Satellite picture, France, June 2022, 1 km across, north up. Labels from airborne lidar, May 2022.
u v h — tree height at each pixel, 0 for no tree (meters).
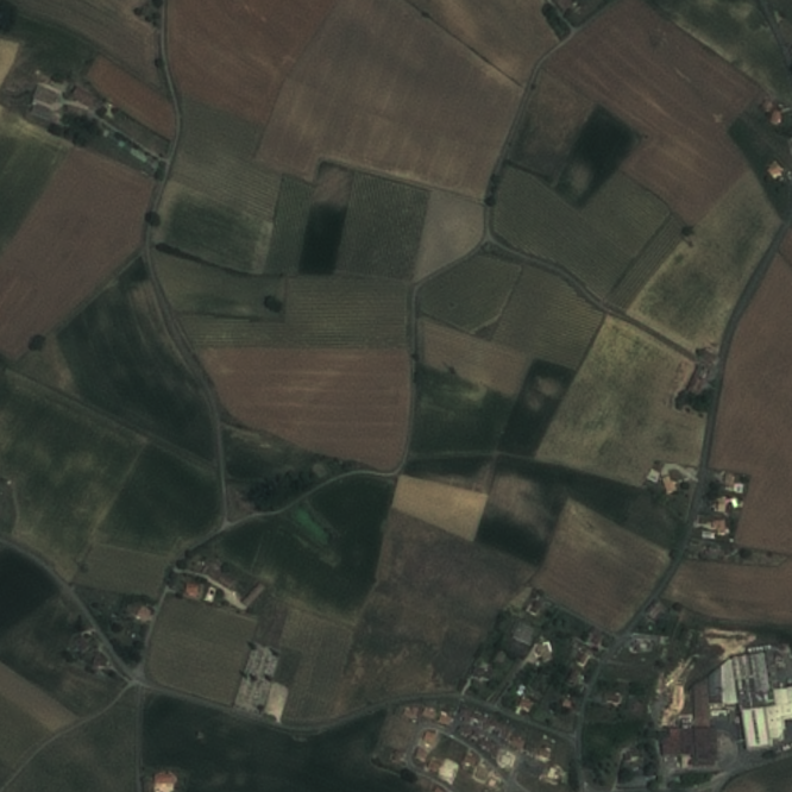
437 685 0
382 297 0
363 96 0
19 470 0
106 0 0
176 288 0
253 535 0
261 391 0
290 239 0
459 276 0
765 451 0
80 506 0
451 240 0
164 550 0
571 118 0
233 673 0
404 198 0
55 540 0
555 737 0
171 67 0
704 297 0
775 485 0
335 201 0
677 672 0
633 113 0
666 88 0
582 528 0
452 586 0
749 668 0
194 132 0
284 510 0
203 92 0
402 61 0
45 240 0
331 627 0
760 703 0
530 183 0
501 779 0
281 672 0
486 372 0
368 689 0
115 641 11
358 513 0
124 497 0
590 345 0
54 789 0
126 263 0
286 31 0
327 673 0
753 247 0
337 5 0
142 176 0
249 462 0
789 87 0
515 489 0
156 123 0
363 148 0
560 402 0
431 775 0
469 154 0
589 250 0
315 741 0
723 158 0
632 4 0
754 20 0
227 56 0
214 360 0
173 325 0
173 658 0
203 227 0
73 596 0
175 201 0
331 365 0
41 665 0
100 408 0
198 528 0
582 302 0
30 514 0
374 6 0
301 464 0
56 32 0
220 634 0
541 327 0
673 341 0
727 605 0
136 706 0
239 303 0
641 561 0
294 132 0
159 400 0
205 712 0
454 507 0
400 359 0
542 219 0
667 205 0
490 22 0
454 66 0
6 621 0
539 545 0
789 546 0
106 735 0
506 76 0
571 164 0
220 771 0
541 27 0
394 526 0
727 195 0
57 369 0
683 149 0
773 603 0
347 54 0
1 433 0
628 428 0
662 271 0
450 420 0
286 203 0
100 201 0
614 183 0
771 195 0
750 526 0
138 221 0
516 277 0
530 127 0
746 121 0
